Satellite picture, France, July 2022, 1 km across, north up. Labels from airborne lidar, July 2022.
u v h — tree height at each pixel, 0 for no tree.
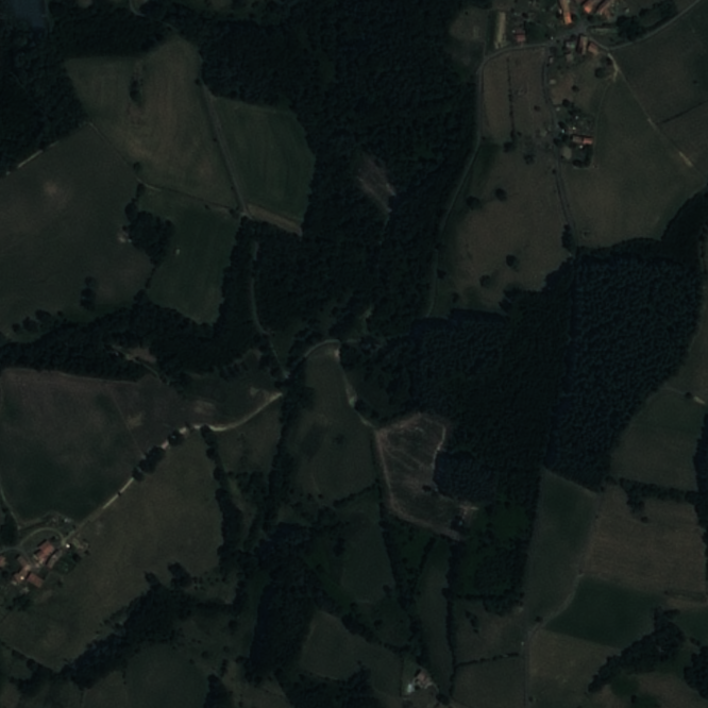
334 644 0
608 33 0
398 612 0
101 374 6
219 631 0
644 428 0
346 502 7
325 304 11
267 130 0
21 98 7
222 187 0
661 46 0
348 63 20
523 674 0
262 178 0
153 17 21
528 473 11
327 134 24
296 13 17
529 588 0
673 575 0
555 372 8
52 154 0
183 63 0
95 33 9
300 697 15
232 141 0
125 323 25
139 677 0
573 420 29
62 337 25
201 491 0
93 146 0
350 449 0
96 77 0
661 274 19
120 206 0
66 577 0
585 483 27
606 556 0
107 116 0
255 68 27
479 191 0
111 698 0
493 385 8
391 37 27
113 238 0
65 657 0
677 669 0
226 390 0
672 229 9
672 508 0
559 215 0
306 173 0
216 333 17
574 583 0
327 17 21
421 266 18
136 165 8
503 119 0
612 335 30
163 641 6
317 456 0
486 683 0
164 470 0
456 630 15
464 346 30
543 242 0
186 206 0
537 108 7
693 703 0
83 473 0
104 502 0
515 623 0
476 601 15
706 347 0
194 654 0
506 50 0
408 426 0
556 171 6
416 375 24
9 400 0
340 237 24
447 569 0
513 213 0
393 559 13
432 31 20
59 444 0
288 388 20
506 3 0
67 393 0
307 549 24
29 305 0
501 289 0
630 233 0
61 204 0
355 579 0
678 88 0
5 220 0
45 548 0
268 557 31
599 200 0
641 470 0
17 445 0
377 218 9
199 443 0
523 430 9
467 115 10
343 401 0
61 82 20
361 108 23
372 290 19
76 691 0
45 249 0
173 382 6
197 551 0
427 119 7
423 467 0
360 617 8
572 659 0
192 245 0
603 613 0
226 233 0
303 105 19
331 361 0
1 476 0
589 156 6
